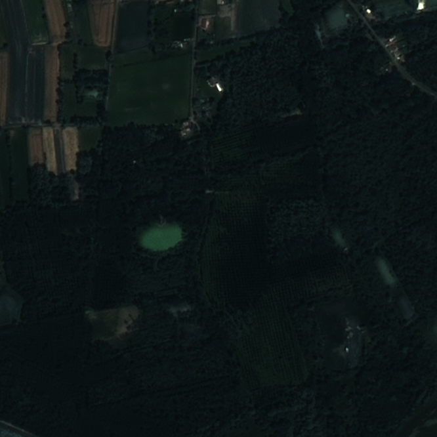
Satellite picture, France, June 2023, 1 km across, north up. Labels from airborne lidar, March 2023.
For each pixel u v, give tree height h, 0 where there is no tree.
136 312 0
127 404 21
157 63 0
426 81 13
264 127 11
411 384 7
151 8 11
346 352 0
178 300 15
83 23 0
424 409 0
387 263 0
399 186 13
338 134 15
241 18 0
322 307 0
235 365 19
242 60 17
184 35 0
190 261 23
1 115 0
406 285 19
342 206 18
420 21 9
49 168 0
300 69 31
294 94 6
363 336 0
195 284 24
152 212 29
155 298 5
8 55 0
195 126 10
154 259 6
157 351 23
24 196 0
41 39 0
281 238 5
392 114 6
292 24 14
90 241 23
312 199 19
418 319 6
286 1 0
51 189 16
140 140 23
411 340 17
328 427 12
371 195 7
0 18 0
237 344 0
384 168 7
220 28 0
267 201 10
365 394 13
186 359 28
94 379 8
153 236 0
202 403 22
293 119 15
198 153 22
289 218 24
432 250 19
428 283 15
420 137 10
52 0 0
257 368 0
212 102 13
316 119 7
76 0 21
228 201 0
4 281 0
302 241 31
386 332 13
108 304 7
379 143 13
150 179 6
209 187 20
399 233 16
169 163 17
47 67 0
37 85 0
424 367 23
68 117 0
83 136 0
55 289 9
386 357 15
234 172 19
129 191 32
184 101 0
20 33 0
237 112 20
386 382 17
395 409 21
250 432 0
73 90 0
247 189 0
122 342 0
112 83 0
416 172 8
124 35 0
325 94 20
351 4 0
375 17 18
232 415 16
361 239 15
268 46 22
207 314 25
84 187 10
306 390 22
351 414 6
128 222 25
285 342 0
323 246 26
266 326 0
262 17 0
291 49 19
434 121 6
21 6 0
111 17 0
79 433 27
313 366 8
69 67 0
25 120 0
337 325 0
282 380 0
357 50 18
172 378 6
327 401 19
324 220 20
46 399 32
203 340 18
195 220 20
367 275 6
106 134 20
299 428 15
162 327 12
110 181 20
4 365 30
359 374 18
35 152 0
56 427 34
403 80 24
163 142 31
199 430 17
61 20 0
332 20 0
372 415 18
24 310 11
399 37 0
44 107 0
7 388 33
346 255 15
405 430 0
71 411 30
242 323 8
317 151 19
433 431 0
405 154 15
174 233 0
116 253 10
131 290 7
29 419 31
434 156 11
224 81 19
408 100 22
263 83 21
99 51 0
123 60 0
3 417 26
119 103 0
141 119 0
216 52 0
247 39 8
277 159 11
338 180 19
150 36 12
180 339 14
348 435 17
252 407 8
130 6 0
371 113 24
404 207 7
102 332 0
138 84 0
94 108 0
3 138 0
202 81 0
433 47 22
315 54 15
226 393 21
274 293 0
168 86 0
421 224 21
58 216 15
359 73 27
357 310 0
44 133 0
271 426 15
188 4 15
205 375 6
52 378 32
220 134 7
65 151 0
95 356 29
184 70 0
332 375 6
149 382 5
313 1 18
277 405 21
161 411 16
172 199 19
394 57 0
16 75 0
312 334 11
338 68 24
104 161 27
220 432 6
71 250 26
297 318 9
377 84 31
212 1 0
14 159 0
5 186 0
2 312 0
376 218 12
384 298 7
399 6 0
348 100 19
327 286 0
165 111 0
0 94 0
